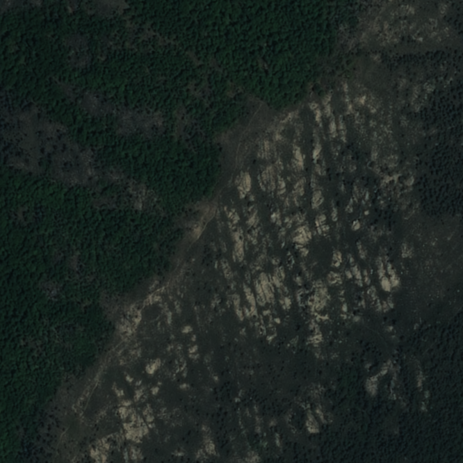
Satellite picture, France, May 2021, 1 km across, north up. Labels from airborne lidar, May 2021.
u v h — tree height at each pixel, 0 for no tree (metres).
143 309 0
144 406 0
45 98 24
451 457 27
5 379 15
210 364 0
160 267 7
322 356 0
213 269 0
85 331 8
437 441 20
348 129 0
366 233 0
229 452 15
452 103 15
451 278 0
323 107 0
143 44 7
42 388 8
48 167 8
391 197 8
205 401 0
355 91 0
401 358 13
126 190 8
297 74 12
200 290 8
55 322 8
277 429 15
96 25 14
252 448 10
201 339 0
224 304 16
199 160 14
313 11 14
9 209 11
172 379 0
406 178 13
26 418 10
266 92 11
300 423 14
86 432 0
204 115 9
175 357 0
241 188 0
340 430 11
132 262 7
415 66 10
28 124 0
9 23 18
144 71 8
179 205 7
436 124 16
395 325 17
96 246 6
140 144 13
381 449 22
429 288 0
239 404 12
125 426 0
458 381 18
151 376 0
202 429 0
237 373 0
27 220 10
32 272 11
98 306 8
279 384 7
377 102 0
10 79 25
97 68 23
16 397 10
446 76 15
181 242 0
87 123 18
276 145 0
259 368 11
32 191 19
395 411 21
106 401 0
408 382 15
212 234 0
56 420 6
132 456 0
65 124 6
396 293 0
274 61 21
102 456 0
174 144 17
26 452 9
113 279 8
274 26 16
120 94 18
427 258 0
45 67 18
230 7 23
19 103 10
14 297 18
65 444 6
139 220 8
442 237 0
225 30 10
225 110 6
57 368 9
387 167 10
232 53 18
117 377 0
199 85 10
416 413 11
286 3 12
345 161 0
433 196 21
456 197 13
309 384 0
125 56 18
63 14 17
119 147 21
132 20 10
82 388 0
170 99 18
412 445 7
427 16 0
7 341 17
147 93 18
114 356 0
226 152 0
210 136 8
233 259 0
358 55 11
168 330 0
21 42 17
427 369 11
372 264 0
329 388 7
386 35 7
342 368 12
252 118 0
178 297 0
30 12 15
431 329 13
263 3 23
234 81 14
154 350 0
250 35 25
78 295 11
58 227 14
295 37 9
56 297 9
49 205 11
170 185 11
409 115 11
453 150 20
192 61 8
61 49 13
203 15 13
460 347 17
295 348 18
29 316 19
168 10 14
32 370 10
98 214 13
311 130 0
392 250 13
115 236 13
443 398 11
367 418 22
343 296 0
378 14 0
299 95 9
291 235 0
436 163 22
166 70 17
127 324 0
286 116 0
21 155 19
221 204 0
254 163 13
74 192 12
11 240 24
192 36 5
